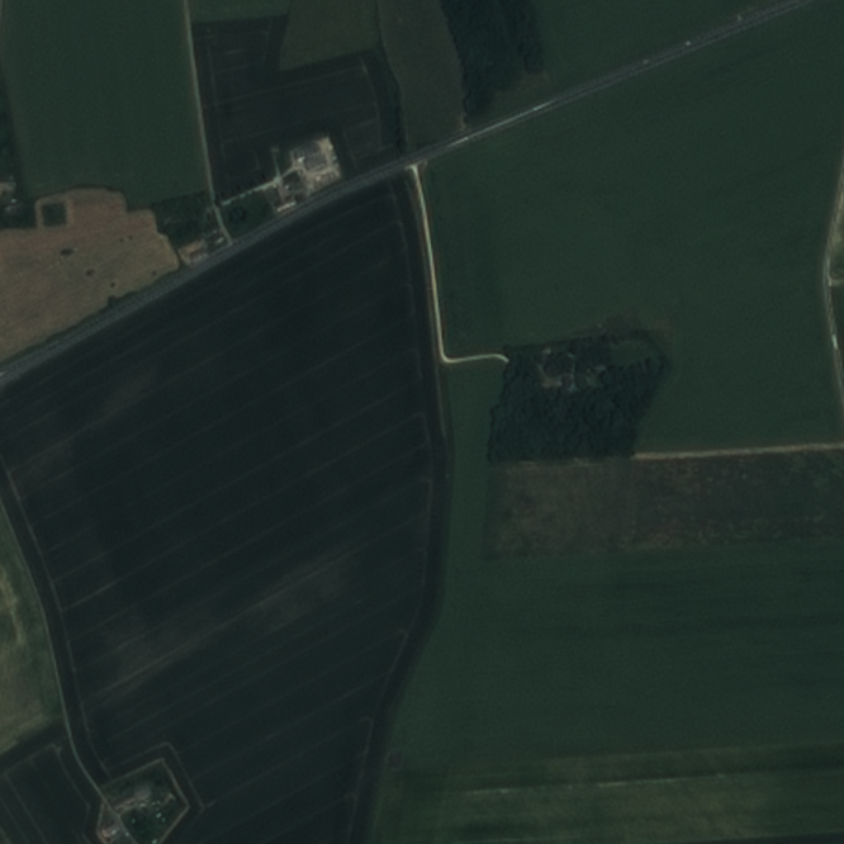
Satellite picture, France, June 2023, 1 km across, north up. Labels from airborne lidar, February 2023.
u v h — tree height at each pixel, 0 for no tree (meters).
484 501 0
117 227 0
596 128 0
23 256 0
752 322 0
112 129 0
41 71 0
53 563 0
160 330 0
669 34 0
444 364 0
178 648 0
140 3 0
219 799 0
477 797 0
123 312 0
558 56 0
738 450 0
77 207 0
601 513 0
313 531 0
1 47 0
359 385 0
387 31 0
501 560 0
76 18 0
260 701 0
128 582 0
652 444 0
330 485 0
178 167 0
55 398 0
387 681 0
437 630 0
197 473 0
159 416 0
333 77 0
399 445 0
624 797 0
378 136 0
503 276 0
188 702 0
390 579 0
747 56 0
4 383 0
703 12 0
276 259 0
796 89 0
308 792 0
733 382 0
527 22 19
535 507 0
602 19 0
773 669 0
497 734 0
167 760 0
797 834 0
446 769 0
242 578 0
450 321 0
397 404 0
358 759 0
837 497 0
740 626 0
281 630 0
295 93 0
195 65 0
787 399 0
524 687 0
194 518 0
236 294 0
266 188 0
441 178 0
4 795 0
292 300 0
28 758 0
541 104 0
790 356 0
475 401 0
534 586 0
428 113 0
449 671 0
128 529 0
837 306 0
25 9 0
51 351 0
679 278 0
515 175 0
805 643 0
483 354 0
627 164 0
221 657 0
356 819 0
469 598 0
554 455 15
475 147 0
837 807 0
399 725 0
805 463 0
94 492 0
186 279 0
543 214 0
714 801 0
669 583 0
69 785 0
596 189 0
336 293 0
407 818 0
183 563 0
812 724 0
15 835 0
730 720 0
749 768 0
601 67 0
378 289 0
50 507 0
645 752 0
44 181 0
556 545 0
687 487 0
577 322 0
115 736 0
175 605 0
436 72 0
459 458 0
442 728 0
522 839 0
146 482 0
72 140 0
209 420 0
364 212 0
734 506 0
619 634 0
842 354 0
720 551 0
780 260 0
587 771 0
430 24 0
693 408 0
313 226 0
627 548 0
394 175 0
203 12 0
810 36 0
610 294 0
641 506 0
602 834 0
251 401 0
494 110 0
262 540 0
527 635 0
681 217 0
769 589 0
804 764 0
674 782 0
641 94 0
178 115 0
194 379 0
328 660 0
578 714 0
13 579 0
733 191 0
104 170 0
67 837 0
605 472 0
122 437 0
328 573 0
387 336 0
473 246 0
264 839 0
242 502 0
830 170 0
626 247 0
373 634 0
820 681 0
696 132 0
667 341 0
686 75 0
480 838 0
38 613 0
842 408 0
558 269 0
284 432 0
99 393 0
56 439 0
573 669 0
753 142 0
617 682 0
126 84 0
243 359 0
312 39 0
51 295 0
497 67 19
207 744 0
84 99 0
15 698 0
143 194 0
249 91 0
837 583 0
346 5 0
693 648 0
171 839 0
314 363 0
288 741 0
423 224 0
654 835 0
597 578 0
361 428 0
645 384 19
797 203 0
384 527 0
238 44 0
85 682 0
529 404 18
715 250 0
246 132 0
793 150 0
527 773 0
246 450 0
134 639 0
